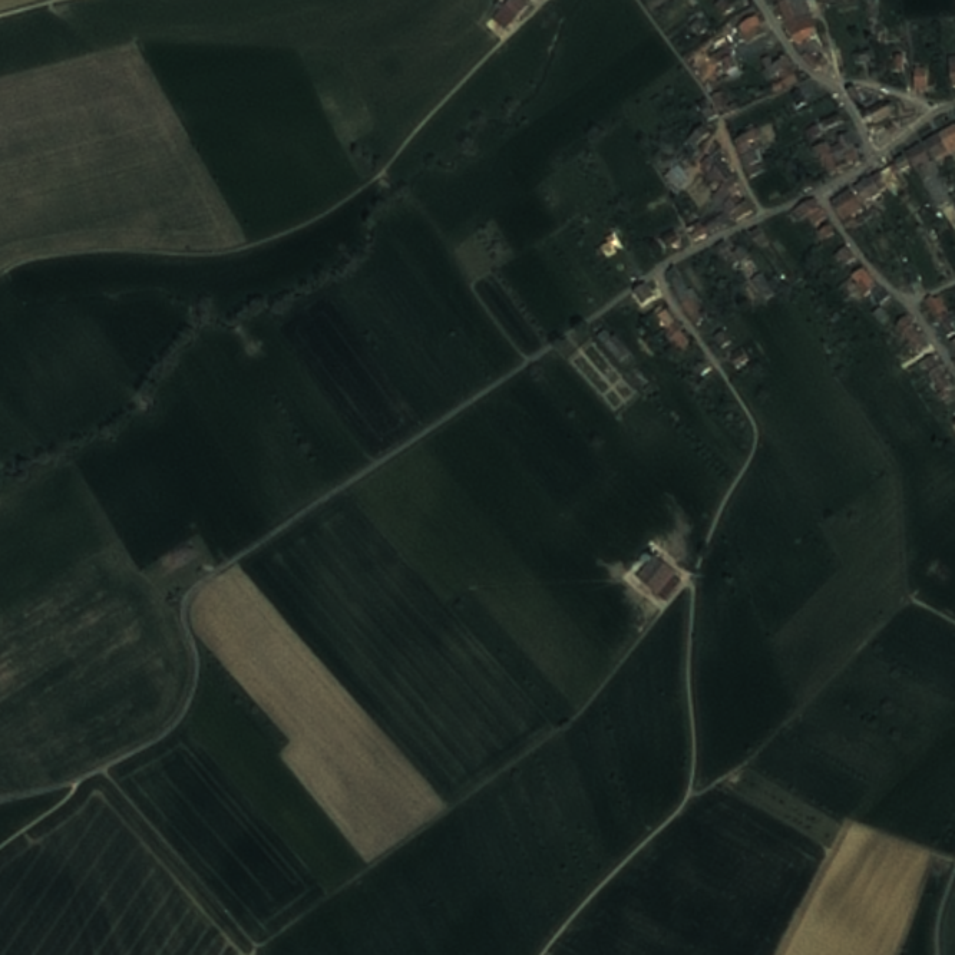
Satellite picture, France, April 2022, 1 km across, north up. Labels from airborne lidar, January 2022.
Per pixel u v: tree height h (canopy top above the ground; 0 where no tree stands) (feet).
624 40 0
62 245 0
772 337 0
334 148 0
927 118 0
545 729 0
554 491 0
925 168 0
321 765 0
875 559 0
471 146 62
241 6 0
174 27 0
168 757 0
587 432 0
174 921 0
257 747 0
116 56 0
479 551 0
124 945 0
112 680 0
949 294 0
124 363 0
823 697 0
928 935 0
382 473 0
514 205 0
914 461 0
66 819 0
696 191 0
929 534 0
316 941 0
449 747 0
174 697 0
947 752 0
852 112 0
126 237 0
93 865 0
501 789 0
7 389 0
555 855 0
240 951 0
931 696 0
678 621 0
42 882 0
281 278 0
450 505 0
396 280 0
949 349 0
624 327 0
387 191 0
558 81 0
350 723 0
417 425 0
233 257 0
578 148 0
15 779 0
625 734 0
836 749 0
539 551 0
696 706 0
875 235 0
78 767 0
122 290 0
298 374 0
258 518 0
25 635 0
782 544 0
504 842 0
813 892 0
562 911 0
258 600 0
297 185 0
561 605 0
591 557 0
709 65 0
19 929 0
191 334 53
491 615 0
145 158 0
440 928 0
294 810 0
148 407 37
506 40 0
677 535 0
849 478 0
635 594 0
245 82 0
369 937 0
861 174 0
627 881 0
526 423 0
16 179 0
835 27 0
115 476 0
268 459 0
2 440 0
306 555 0
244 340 0
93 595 0
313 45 0
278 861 0
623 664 0
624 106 0
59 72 0
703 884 0
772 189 0
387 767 0
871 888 0
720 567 0
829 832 0
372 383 0
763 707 0
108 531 0
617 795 0
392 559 0
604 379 0
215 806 0
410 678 0
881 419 0
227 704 0
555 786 0
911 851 0
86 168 0
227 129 0
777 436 0
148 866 0
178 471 0
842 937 0
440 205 0
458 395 0
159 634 0
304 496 0
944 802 0
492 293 0
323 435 0
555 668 0
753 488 0
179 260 0
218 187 0
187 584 0
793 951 0
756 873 0
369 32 0
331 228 0
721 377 0
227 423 0
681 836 0
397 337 0
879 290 0
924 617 0
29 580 0
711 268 22
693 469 0
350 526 0
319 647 0
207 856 0
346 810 0
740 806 0
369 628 0
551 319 0
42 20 0
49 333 0
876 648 27
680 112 22
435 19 0
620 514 0
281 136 0
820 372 0
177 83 0
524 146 0
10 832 0
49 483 0
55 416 0
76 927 0
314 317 0
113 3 0
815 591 0
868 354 0
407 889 0
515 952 0
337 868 0
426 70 0
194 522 0
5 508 0
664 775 0
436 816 0
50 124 0
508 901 0
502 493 0
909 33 0
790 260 0
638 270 0
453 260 0
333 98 0
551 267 0
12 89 0
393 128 0
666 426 0
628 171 0
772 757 0
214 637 0
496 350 0
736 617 0
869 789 0
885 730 0
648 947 0
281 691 0
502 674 0
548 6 0
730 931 0
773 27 0
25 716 0
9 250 0
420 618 0
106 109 0
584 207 0
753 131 0
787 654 0
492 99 0
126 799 0
